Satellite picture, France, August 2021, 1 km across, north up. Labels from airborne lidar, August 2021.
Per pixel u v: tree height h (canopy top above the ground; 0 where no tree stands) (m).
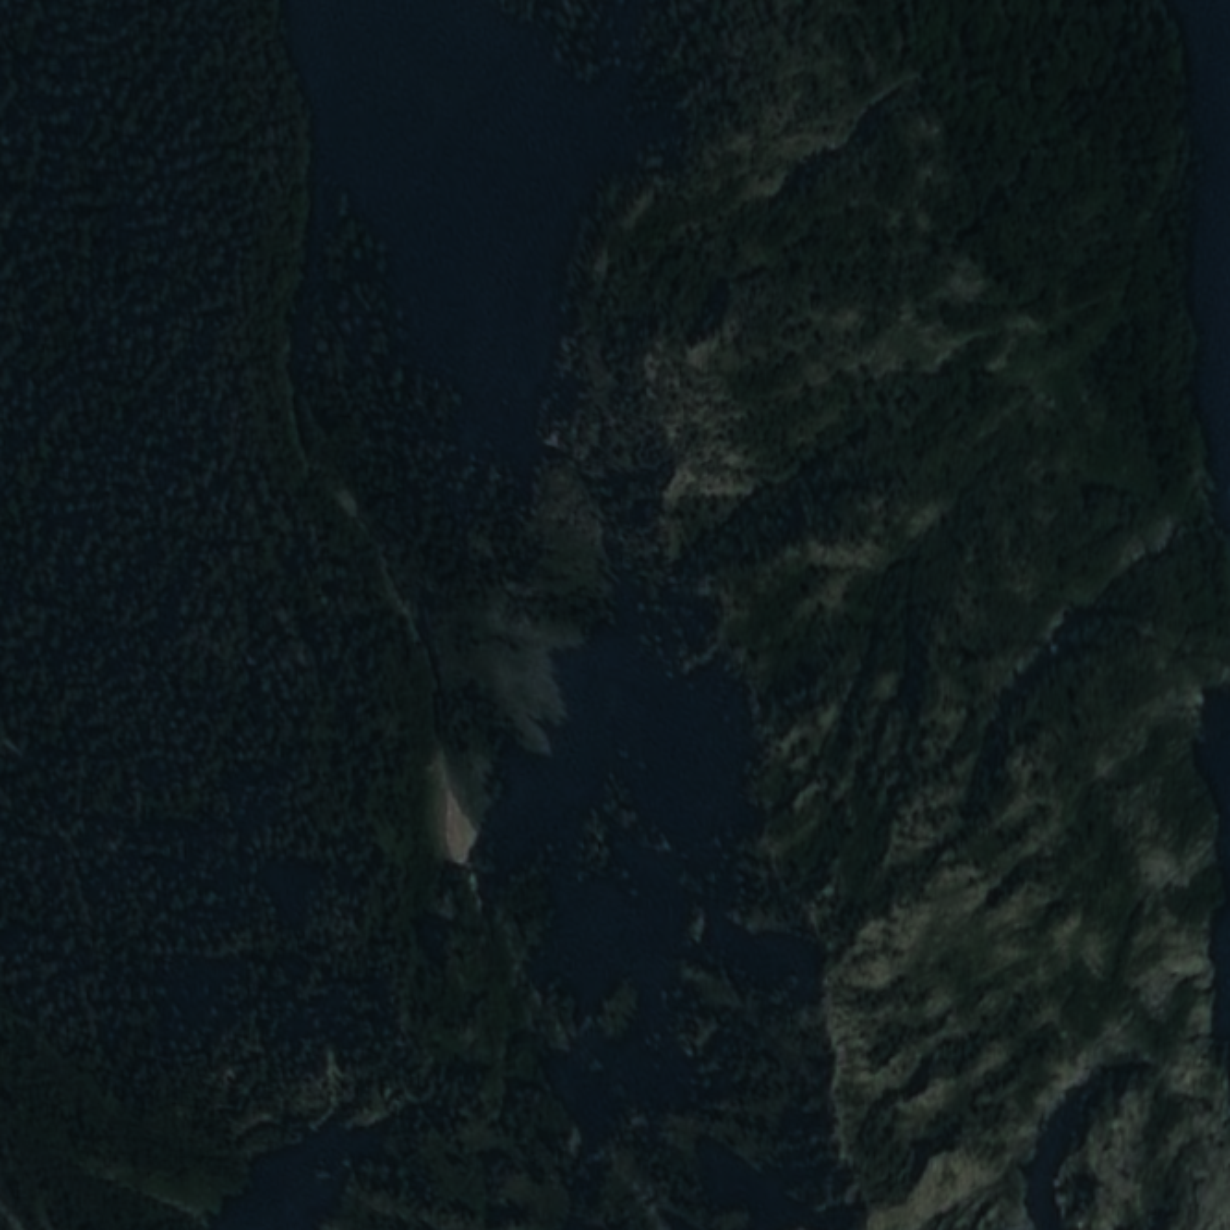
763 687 9
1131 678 7
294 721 10
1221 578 7
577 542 0
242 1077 11
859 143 11
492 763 0
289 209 16
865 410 21
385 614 6
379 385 11
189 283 24
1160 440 14
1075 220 7
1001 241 10
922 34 21
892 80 7
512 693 0
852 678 7
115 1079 13
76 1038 24
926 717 11
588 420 8
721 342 14
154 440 16
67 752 12
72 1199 8
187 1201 0
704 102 9
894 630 8
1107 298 10
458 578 11
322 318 18
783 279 9
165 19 27
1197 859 0
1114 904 0
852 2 11
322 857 7
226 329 14
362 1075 17
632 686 14
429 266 14
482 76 14
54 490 14
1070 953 0
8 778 14
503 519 9
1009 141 23
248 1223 0
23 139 25
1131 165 11
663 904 7
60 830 8
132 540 20
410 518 9
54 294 27
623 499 13
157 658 25
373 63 20
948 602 6
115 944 14
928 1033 8
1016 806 13
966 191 10
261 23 28
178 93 26
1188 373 6
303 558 17
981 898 0
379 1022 14
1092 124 20
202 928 24
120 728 23
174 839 22
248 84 13
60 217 27
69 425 9
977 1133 6
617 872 6
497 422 6
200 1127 13
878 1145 7
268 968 13
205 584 14
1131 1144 0
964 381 13
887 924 8
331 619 10
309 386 16
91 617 17
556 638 0
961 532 5
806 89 6
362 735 21
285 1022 15
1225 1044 5
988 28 32
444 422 12
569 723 0
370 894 14
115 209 18
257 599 33
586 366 8
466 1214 11
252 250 15
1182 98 17
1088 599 0
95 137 25
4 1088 7
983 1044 11
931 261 9
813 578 7
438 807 0
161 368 21
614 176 7
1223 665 0
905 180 12
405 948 11
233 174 26
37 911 16
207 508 20
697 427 11
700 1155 0
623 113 21
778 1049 0
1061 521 12
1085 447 7
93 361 22
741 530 7
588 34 16
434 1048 7
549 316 7
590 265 6
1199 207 7
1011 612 8
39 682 27
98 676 21
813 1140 7
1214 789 7
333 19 14
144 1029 11
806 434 7
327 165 11
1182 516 0
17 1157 6
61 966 20
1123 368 14
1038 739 9
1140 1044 0
